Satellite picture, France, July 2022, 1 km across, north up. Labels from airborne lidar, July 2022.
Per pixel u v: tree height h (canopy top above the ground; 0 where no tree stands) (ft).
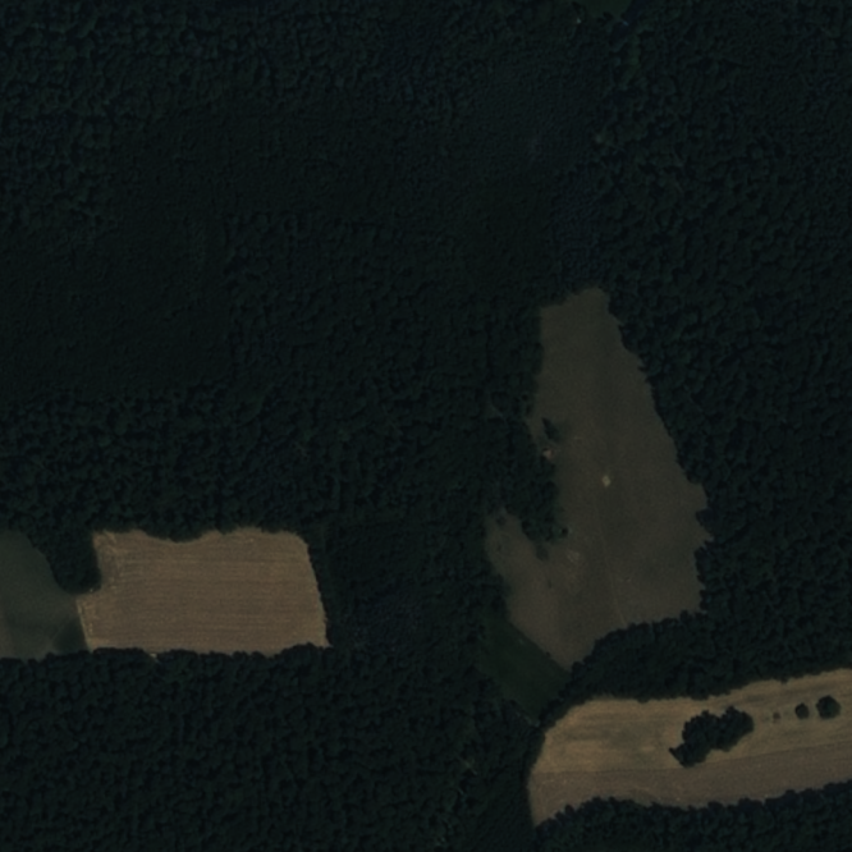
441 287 74
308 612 0
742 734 24
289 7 107
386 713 20
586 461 0
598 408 0
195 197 61
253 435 90
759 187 111
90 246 59
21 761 22
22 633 0
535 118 60
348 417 91
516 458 75
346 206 56
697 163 99
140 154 57
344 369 100
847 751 0
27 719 96
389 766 24
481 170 48
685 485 0
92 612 0
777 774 0
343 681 83
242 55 97
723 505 89
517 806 39
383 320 86
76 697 81
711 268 103
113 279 68
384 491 78
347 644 52
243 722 97
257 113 61
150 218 74
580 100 65
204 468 75
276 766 84
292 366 100
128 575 0
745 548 90
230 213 60
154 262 65
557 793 0
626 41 103
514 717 76
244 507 84
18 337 46
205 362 64
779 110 70
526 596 0
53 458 53
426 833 99
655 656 76
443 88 38
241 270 104
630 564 0
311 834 80
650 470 0
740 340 98
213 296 65
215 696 85
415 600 48
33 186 80
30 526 74
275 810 86
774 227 99
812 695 0
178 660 73
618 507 0
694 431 93
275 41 100
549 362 0
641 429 0
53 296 67
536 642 0
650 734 0
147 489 22
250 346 90
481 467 62
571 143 59
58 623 0
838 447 100
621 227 82
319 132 57
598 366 0
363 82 66
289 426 96
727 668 97
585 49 65
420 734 88
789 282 100
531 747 46
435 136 60
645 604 0
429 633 44
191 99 71
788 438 115
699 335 93
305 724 95
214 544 0
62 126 90
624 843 29
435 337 91
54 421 85
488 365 38
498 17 95
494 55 34
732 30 72
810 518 86
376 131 41
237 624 0
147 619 0
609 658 90
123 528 75
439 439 85
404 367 84
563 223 86
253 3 40
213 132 57
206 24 96
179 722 92
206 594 0
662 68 99
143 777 89
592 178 100
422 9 62
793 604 95
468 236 48
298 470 91
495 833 38
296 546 0
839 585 94
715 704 0
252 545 0
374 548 23
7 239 46
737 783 0
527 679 0
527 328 99
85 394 72
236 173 49
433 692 89
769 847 81
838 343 99
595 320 0
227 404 99
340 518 83
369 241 99
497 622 0
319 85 84
